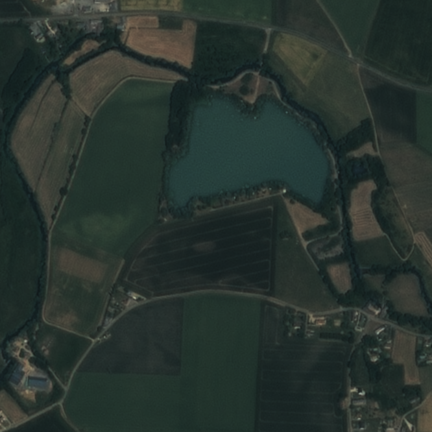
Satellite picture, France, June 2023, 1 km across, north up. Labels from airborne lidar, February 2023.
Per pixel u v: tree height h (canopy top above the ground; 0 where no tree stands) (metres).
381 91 0
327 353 0
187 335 0
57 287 0
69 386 0
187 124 14
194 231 0
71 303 0
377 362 8
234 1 0
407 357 0
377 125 0
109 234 0
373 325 0
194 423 0
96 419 0
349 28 0
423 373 0
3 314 0
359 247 0
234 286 0
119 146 0
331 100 0
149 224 0
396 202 0
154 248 0
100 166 0
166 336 0
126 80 0
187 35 0
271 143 0
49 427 0
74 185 0
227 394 0
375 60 0
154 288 0
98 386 0
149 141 0
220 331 0
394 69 0
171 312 0
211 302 0
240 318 0
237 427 0
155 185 0
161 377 0
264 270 0
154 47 0
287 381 0
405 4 0
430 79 0
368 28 0
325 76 0
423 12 0
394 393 0
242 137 0
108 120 0
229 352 0
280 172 0
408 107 0
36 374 0
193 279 0
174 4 0
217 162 0
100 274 0
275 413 0
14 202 0
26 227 0
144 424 0
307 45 0
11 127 11
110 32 8
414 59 0
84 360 0
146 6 0
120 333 0
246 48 0
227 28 0
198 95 18
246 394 0
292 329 12
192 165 0
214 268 0
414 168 0
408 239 0
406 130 0
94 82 0
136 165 0
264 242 0
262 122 0
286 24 0
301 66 0
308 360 0
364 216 0
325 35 0
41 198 0
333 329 0
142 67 0
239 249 0
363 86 0
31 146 0
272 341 0
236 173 0
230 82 0
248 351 0
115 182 0
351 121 0
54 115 0
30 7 0
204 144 0
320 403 0
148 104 0
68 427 0
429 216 0
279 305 0
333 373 0
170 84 0
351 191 0
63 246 0
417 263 0
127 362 0
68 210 0
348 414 0
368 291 18
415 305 0
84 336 0
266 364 0
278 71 0
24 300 0
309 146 0
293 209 0
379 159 6
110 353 0
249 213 0
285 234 7
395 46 0
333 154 11
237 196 12
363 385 0
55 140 19
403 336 0
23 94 11
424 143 0
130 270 0
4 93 8
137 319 0
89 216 0
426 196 0
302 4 0
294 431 0
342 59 0
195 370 0
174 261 0
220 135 0
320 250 0
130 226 0
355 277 6
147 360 0
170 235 0
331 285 11
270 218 0
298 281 0
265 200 0
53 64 0
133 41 0
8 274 0
